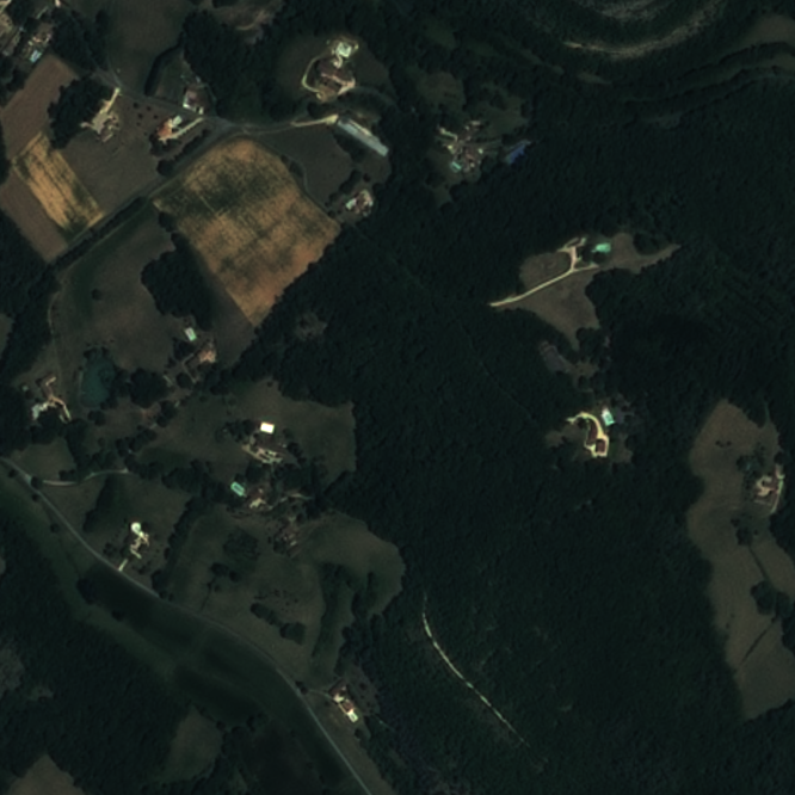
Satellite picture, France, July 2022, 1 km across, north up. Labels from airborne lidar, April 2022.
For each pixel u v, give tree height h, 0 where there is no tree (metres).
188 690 0
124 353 0
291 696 0
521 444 18
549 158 16
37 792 0
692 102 12
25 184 0
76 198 0
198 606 0
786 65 0
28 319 19
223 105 16
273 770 0
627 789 15
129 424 0
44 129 0
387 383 21
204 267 0
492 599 6
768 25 0
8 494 0
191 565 0
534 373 16
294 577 0
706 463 0
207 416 0
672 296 23
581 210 14
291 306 18
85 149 0
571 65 19
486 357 12
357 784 0
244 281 0
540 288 0
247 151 0
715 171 9
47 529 0
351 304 13
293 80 0
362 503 10
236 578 22
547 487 17
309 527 0
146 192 0
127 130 0
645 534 20
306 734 0
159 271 18
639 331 17
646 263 0
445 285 10
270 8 0
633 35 8
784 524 24
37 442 18
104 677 19
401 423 18
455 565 13
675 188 8
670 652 15
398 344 16
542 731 11
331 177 0
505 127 0
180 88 0
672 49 7
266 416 0
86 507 0
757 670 0
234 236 0
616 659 18
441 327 19
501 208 15
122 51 0
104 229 7
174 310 14
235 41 23
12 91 13
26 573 21
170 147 8
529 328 17
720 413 0
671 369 22
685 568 19
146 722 19
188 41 15
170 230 14
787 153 8
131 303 0
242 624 0
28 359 15
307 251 0
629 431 23
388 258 14
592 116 16
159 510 0
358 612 16
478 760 12
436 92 0
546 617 11
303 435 0
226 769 14
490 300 14
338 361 16
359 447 10
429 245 20
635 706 12
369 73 0
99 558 0
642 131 16
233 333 0
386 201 19
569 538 16
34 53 0
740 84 11
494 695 9
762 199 13
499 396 14
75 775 14
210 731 0
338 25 6
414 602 11
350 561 0
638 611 17
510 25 16
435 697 13
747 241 15
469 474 19
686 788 10
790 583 0
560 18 8
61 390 0
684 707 16
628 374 18
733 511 0
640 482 26
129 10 0
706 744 19
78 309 0
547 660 9
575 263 0
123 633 0
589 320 0
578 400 17
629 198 11
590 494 19
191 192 0
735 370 11
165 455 0
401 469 18
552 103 17
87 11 0
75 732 18
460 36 16
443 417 13
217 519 0
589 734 10
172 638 0
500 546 8
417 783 14
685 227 17
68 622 24
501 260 15
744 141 10
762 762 20
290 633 15
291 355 16
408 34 17
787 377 18
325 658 0
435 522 20
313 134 0
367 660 14
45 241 0
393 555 0
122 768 15
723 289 15
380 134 11
